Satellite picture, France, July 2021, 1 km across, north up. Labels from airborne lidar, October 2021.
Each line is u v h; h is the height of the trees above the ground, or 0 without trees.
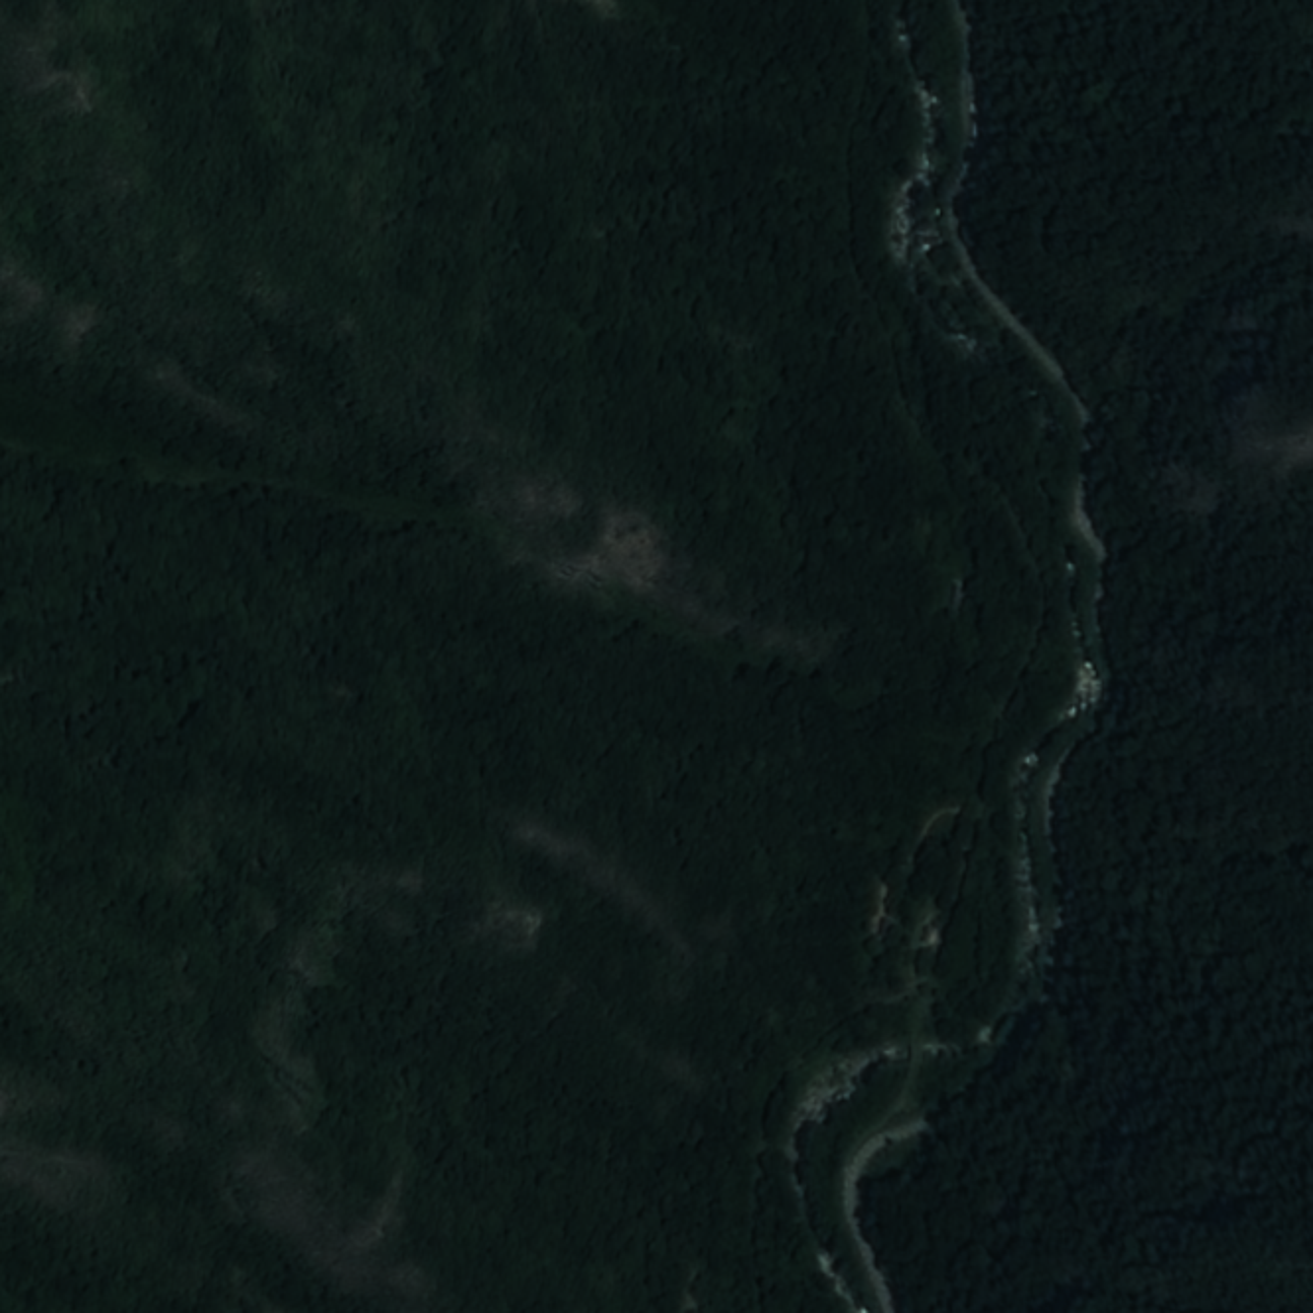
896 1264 22
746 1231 14
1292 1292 15
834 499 31
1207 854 19
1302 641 28
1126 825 14
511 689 14
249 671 22
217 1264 9
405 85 23
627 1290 9
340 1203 11
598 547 11
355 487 8
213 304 14
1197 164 32
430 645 18
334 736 20
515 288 18
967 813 8
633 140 27
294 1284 21
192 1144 9
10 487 25
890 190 10
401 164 21
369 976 15
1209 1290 13
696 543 18
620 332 20
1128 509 26
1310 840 16
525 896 18
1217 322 20
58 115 9
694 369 39
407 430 24
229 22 21
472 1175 15
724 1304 10
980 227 28
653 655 15
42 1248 24
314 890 14
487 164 15
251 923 12
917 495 23
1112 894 24
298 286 15
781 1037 26
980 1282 23
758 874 24
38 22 7
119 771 23
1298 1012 26
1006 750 32
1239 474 12
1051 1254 16
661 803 24
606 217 23
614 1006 16
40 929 20
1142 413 25
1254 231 13
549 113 14
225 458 24
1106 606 22
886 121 24
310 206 15
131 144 10
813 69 19
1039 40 26
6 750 17
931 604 18
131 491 20
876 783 7
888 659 19
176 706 37
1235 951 24
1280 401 9
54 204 13
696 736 25
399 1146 9
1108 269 18
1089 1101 22
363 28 24
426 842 23
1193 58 20
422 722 34
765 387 21
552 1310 18
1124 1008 13
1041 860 10
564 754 13
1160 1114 12
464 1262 19
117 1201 8
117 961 18
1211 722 22
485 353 21
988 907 16
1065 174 22
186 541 25
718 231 28
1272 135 22
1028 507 22
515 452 10
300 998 7
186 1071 10
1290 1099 19
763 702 19
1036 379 16
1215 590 15
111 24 7
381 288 17
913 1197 25
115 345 26
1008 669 13
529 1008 22
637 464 19
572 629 29
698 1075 8
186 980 10
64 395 19
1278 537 21
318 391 26
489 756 25
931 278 9
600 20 20
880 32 17
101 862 18
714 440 24
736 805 27
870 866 18
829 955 16
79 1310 15
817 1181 25
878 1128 0
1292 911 23
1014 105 25
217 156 23
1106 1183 14
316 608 13
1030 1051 27
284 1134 12
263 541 17
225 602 28
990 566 22
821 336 11
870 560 22
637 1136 24
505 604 19
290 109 25
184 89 17
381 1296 7
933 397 25
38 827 16
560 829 12
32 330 16
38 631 27
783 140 21
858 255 17
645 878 8
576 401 14
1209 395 23
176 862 7
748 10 21
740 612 10
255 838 19
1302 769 10
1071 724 10
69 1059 30
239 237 11
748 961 16
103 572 33
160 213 10
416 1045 18
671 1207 25
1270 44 22
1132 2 26
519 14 15
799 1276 9
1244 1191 23
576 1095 40
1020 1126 24
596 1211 14
